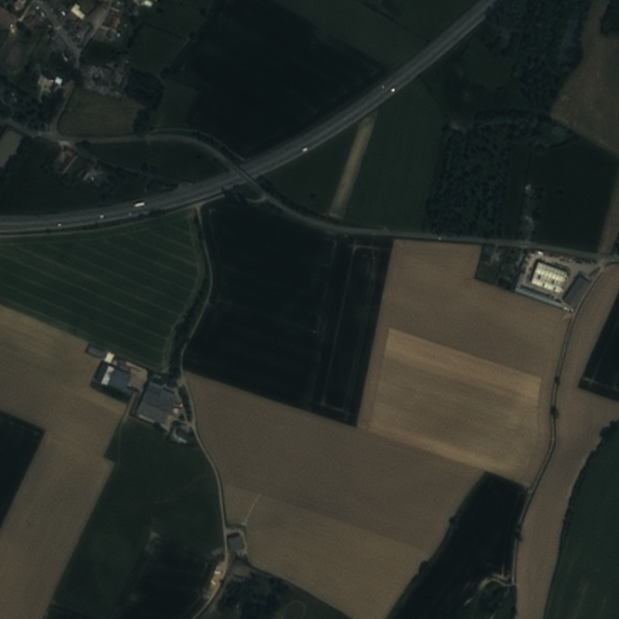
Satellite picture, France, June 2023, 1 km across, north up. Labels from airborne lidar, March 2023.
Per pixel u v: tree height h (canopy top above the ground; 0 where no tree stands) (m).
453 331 0
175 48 0
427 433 0
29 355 0
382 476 0
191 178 0
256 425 0
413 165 0
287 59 0
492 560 0
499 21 21
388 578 0
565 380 0
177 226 0
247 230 0
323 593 0
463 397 0
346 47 0
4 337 0
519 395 0
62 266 0
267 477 0
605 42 0
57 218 0
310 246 0
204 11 9
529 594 0
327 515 0
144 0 0
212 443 0
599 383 0
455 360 0
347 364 0
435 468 0
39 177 0
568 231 0
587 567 0
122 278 0
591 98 0
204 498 0
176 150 0
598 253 0
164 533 0
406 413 0
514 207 0
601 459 0
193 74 0
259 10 0
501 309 0
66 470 0
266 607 18
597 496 0
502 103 0
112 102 0
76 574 0
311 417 0
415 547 0
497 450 0
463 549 0
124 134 0
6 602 0
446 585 0
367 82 0
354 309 0
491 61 0
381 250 0
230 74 0
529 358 0
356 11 0
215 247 0
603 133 0
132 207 0
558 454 0
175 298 0
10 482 0
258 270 0
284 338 0
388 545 0
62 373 0
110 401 0
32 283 0
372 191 0
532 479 0
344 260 0
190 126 0
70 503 0
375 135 0
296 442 0
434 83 0
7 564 0
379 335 0
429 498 0
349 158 0
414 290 0
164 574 0
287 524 0
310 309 0
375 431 0
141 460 0
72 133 0
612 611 0
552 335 0
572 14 12
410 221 0
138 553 0
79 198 0
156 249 0
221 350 0
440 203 14
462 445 0
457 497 0
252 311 0
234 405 0
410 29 0
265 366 0
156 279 0
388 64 0
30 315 0
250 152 0
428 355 0
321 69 0
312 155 0
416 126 0
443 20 0
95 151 0
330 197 0
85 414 0
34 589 0
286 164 0
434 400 0
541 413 0
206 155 0
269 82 0
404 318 0
